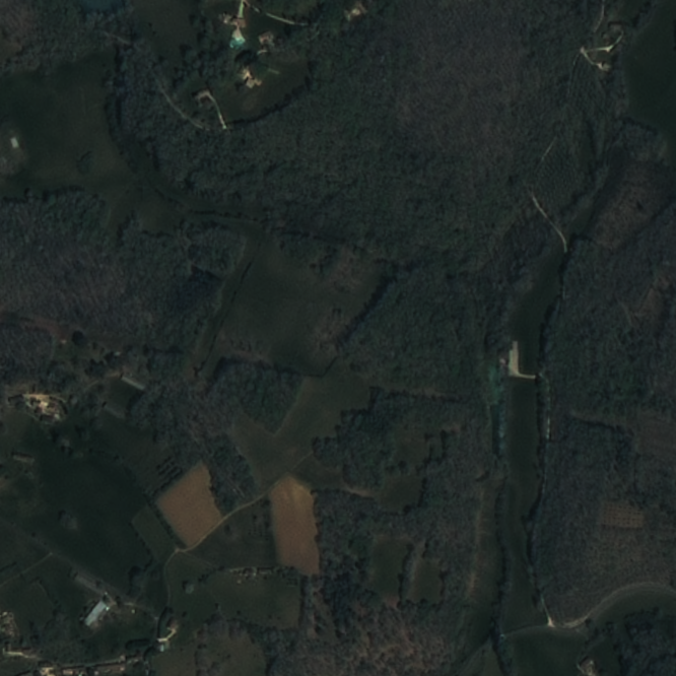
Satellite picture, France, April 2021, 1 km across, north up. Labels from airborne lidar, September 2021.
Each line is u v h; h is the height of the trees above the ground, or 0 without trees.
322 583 20
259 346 0
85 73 0
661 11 0
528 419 0
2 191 0
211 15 0
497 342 14
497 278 21
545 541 17
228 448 20
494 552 0
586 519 15
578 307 16
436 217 16
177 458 12
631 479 19
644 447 0
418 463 0
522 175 24
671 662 24
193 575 0
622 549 13
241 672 0
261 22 0
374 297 0
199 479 0
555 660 0
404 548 0
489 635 7
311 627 17
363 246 9
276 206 21
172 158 22
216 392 20
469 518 23
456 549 18
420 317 21
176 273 21
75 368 19
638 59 0
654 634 22
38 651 13
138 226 16
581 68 31
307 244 15
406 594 13
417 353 26
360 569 17
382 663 15
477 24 19
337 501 19
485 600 0
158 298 20
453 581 24
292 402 22
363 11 16
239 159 11
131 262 14
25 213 19
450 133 26
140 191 0
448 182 17
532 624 0
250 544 0
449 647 20
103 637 0
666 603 0
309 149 17
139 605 10
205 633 10
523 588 0
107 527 0
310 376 0
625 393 13
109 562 0
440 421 22
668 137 0
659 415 19
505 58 20
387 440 27
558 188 34
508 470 19
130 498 0
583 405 16
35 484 0
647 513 14
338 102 28
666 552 18
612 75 18
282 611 0
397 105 23
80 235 24
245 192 23
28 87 0
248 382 20
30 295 18
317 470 0
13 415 0
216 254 17
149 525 0
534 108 18
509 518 0
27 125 0
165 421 22
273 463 0
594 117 41
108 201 0
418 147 24
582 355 14
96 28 12
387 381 12
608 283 9
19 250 18
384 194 16
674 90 0
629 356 6
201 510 0
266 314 0
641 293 10
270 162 11
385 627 22
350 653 12
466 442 18
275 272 0
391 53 22
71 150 0
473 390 19
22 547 0
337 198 20
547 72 17
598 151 35
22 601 0
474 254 18
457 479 27
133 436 0
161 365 21
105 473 0
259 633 7
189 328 25
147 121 17
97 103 0
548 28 20
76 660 10
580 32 19
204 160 10
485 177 22
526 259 18
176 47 0
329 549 18
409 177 23
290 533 0
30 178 0
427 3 19
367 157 25
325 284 0
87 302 21
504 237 6
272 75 0
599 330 15
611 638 14
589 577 16
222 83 17
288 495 0
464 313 28
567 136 31
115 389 0
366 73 22
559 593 14
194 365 0
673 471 17
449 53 18
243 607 0
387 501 0
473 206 20
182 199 0
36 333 16
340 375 0
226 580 0
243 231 0
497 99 18
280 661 19
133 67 21
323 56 24
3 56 0
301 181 25
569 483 13
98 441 0
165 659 0
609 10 19
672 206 14
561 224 19
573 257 15
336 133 15
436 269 30
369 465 24
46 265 17
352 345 26
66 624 14
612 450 17
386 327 25
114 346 0
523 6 24
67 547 0
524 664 0
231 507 14
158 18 0
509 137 18
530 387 0
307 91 16
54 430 0
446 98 19
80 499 0
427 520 22
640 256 12
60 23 22
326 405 0
